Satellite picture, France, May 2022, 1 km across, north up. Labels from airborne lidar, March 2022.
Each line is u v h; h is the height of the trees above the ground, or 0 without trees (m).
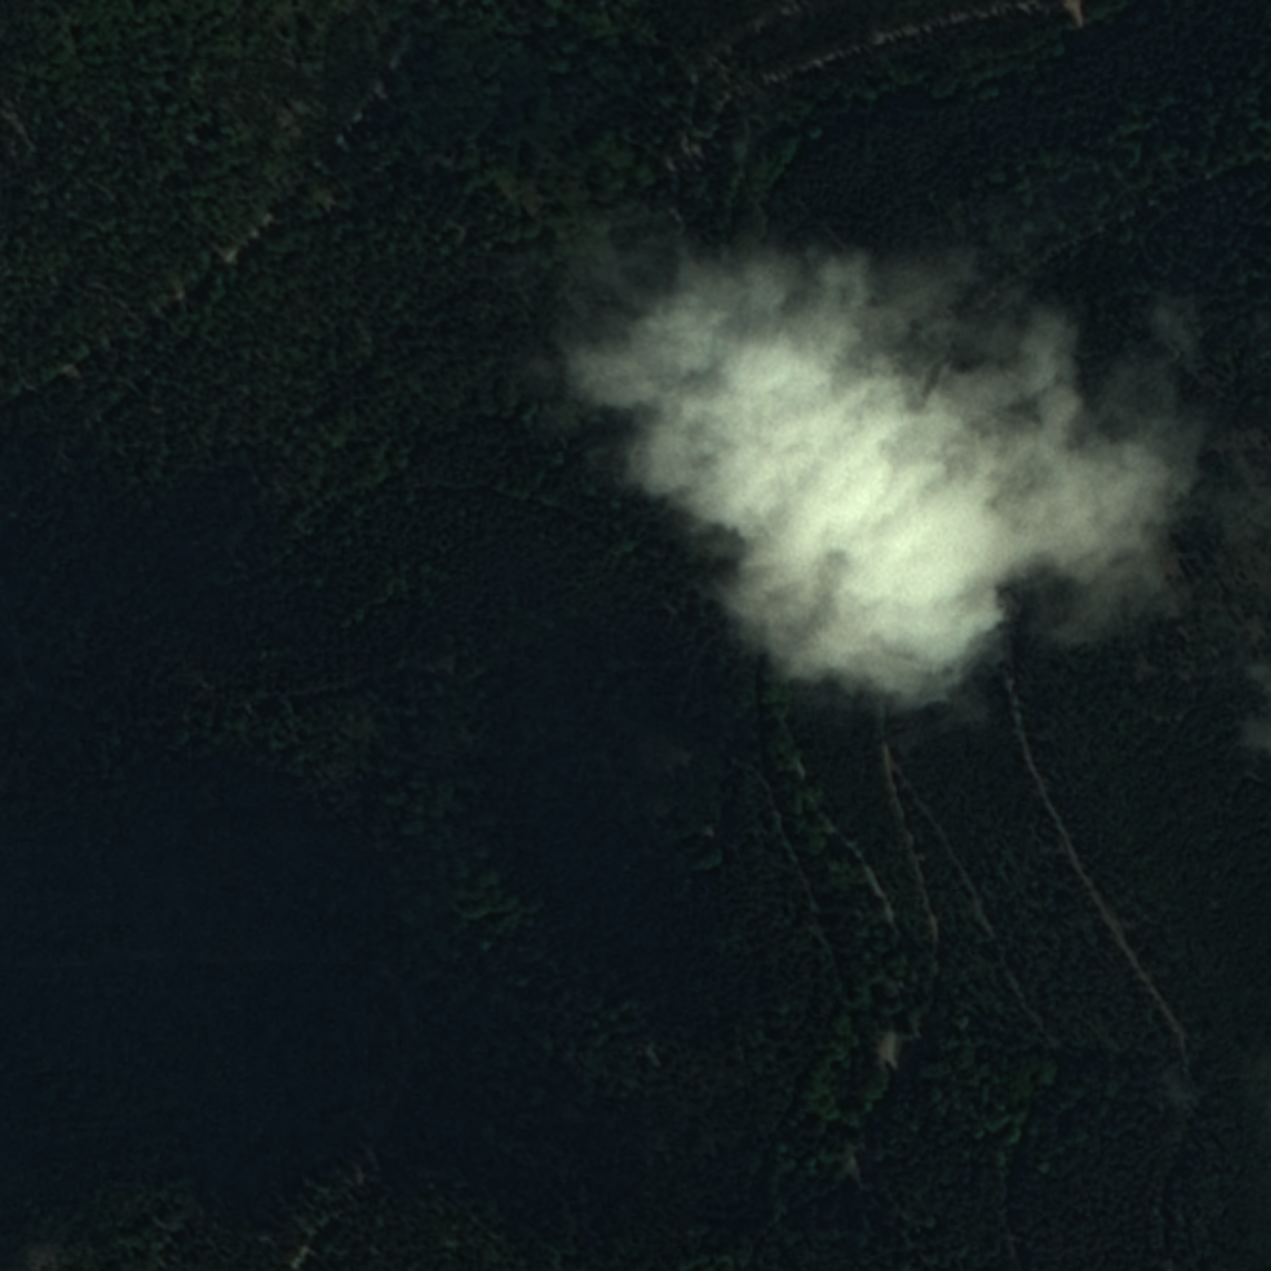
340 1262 28
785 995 23
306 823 27
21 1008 11
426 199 23
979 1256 26
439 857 18
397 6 27
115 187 22
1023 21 20
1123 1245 30
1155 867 6
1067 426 8
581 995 18
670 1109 26
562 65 20
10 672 23
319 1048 27
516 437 32
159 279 26
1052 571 7
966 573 8
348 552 24
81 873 14
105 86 23
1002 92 27
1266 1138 8
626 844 30
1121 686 8
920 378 11
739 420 15
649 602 22
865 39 17
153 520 24
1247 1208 8
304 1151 18
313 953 29
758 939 31
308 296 31
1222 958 11
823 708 12
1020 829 10
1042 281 12
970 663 7
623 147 16
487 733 32
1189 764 8
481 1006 33
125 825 22
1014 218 15
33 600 23
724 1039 22
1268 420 9
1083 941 10
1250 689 8
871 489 11
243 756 26
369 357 21
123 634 20
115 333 22
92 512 23
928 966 8
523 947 35
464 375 24
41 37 23
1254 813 10
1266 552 6
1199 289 26
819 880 31
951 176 12
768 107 18
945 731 10
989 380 8
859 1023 27
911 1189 27
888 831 9
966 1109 23
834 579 8
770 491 15
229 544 22
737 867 24
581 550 16
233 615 24
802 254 14
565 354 25
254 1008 31
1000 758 11
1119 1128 31
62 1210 7
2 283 26
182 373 15
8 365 18
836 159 28
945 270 17
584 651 26
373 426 20
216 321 26
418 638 18
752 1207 25
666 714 22
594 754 22
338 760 23
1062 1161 31
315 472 17
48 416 22
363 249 25
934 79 26
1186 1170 29
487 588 22
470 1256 23
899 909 9
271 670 24
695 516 19
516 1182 23
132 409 25
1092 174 26
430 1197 22
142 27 21
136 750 26
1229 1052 8
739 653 13
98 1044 26
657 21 23
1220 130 27
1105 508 8
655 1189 22
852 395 12
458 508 22
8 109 17
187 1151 24
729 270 7
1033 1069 29
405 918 26
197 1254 21
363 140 27
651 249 25
